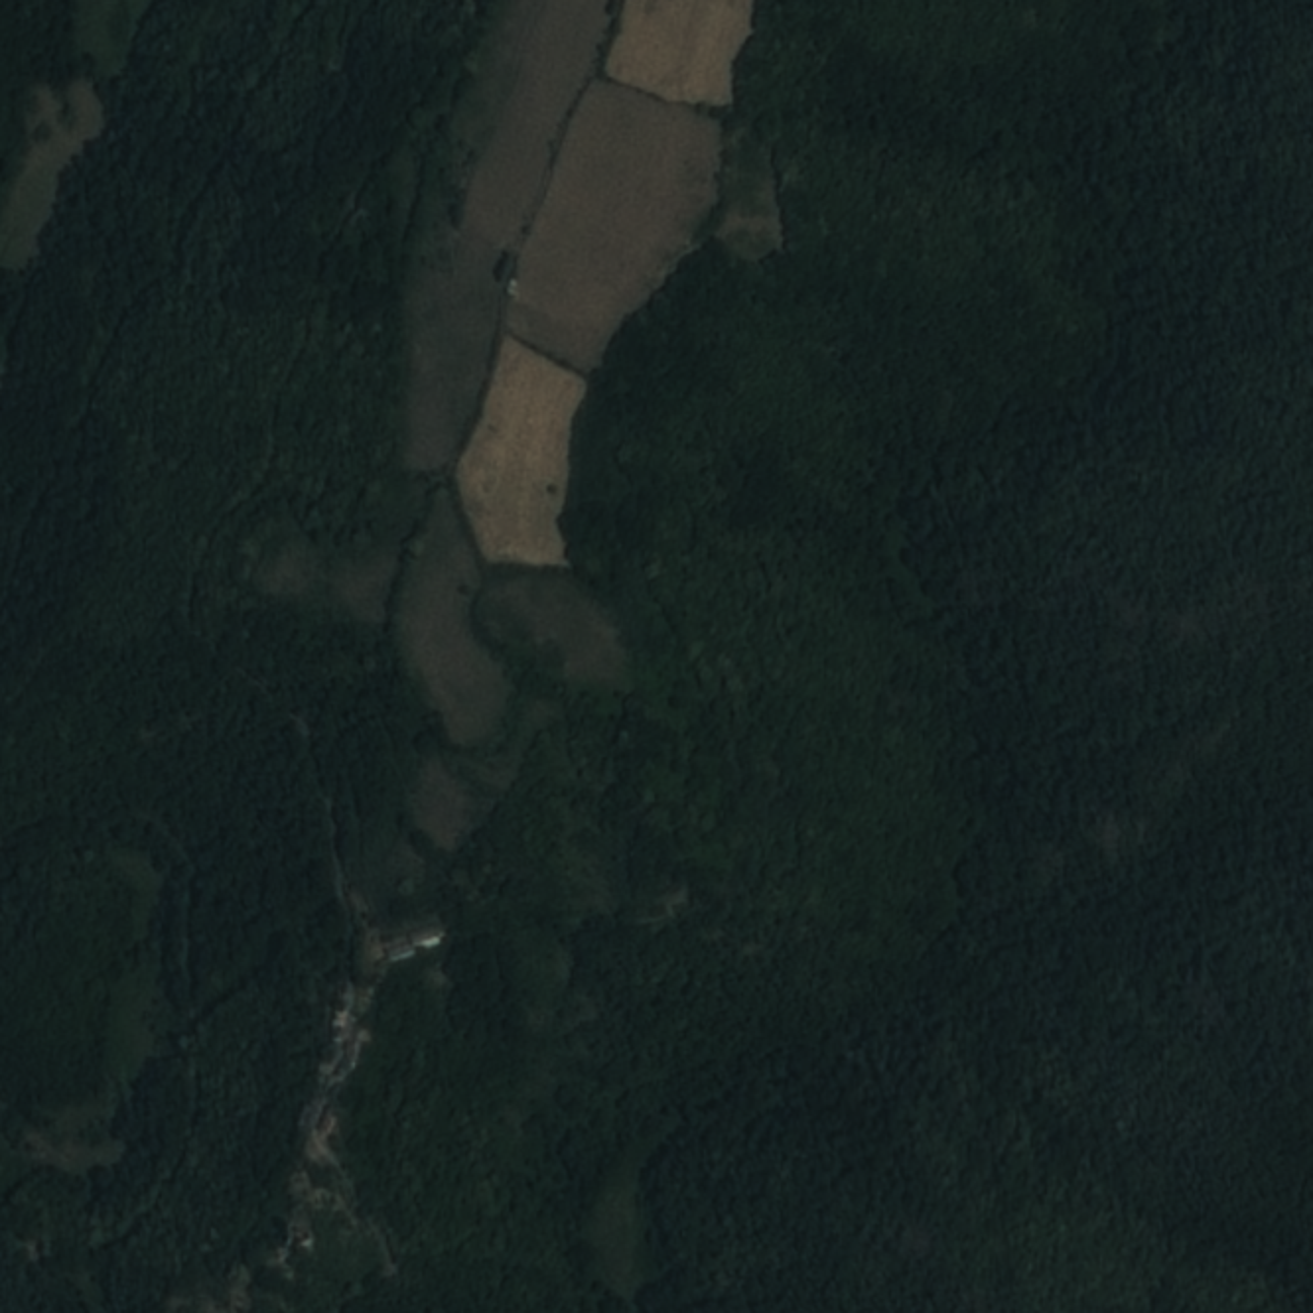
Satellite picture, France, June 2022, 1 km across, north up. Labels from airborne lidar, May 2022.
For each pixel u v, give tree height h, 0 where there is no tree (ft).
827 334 53
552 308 0
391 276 24
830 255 58
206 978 53
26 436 66
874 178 56
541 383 0
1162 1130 28
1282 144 45
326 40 49
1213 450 32
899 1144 56
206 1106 54
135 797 55
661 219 0
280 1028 43
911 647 46
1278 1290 60
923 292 51
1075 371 35
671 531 61
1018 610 54
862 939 48
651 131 0
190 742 54
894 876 48
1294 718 49
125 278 59
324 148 74
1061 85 73
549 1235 53
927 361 49
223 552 49
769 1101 73
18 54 60
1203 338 74
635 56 0
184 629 57
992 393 56
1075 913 53
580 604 0
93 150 64
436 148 26
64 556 58
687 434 62
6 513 62
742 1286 56
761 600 58
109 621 52
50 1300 52
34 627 73
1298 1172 51
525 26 0
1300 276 77
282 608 21
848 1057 75
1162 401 46
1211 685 56
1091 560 28
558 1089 22
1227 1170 22
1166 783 23
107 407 58
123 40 0
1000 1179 42
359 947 22
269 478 49
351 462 52
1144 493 43
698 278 51
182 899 102
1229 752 44
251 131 48
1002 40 41
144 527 49
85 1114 0
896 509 26
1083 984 75
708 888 30
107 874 51
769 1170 52
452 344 0
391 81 77
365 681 24
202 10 53
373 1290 52
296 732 56
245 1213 40
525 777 32
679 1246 79
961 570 26
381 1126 19
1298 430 39
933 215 49
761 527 101
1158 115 64
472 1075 21
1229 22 70
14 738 30
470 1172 56
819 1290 31
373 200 31
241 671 58
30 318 80
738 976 76
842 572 75
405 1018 30
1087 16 79
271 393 54
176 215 36
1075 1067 43
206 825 61
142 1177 52
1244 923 39
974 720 88
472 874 45
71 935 62
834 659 52
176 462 40
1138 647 49
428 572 0
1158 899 47
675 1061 48
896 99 96
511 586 0
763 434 60
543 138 0
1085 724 41
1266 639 37
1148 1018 43
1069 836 35
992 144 47
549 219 0
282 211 72
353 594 0
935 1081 39
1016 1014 61
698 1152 72
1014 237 44
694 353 62
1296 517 24
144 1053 0
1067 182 104
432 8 51
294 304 65
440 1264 51
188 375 40
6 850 50
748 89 58
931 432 57
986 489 58
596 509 47
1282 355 41
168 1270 45
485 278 0
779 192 41
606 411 35
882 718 36
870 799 48
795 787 56
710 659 47
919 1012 28
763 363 41
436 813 0
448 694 0
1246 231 48
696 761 41
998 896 63
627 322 32
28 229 0
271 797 70
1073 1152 94
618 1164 52
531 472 0
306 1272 53
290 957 64
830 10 63
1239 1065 50
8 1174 55
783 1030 61
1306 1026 35
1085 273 80
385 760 55
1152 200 46
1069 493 53
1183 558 43
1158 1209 54
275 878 63
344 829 59
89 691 49
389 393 38
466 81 40
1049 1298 46
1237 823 42
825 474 43
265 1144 52
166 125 67
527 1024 64
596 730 37
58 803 35
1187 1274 54
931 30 47
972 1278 30
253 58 25
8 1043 67
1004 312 61
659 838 54
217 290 51
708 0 0
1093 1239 28
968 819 84
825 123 74
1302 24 72
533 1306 50
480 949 69
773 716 53
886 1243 21
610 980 51
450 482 19
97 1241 66
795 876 47
